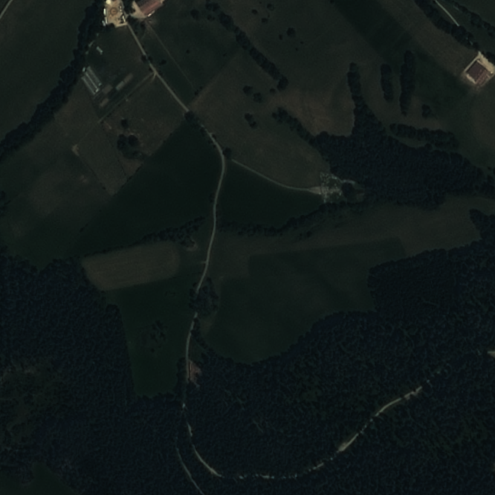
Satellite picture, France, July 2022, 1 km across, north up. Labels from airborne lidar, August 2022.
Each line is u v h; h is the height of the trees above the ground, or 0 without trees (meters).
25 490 0
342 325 31
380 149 23
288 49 0
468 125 0
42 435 27
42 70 0
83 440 33
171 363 0
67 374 27
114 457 30
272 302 0
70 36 0
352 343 35
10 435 27
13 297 33
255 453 22
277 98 0
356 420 14
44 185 0
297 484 21
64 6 0
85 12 0
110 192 0
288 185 0
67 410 9
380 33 0
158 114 0
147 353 0
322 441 24
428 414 34
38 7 0
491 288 34
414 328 20
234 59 0
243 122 0
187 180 0
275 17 0
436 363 32
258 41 0
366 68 0
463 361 34
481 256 24
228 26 21
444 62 0
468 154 0
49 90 0
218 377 22
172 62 0
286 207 0
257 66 0
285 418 25
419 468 32
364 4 0
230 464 27
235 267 0
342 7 0
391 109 0
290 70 0
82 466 20
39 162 0
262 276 0
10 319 31
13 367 30
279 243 0
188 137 0
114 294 0
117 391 24
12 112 0
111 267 0
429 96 0
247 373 26
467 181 23
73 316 33
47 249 0
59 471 30
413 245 0
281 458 25
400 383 32
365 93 0
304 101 0
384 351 38
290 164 0
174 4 0
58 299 32
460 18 0
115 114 0
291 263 0
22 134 23
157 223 0
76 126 0
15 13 0
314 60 0
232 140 0
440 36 0
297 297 0
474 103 0
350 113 0
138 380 0
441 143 23
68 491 0
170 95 0
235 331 0
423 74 0
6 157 7
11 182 0
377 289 17
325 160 7
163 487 24
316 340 22
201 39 0
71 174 0
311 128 0
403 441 36
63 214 0
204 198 0
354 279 0
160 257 0
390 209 0
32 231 0
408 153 27
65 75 19
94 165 0
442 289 17
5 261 29
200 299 23
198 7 0
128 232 0
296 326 0
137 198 0
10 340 25
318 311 0
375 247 0
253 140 0
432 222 0
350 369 34
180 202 0
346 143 25
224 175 0
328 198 0
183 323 0
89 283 29
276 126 0
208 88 0
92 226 0
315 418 17
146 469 26
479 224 16
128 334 0
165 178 0
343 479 25
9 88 0
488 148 0
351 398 20
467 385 33
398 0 0
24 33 0
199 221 8
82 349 35
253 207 0
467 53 0
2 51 0
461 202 0
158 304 0
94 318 28
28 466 21
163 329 24
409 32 0
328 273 0
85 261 0
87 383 33
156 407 35
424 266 19
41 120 23
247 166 0
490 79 0
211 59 0
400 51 0
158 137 0
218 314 0
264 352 0
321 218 10
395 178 22
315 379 7
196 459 23
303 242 0
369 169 27
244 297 0
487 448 13
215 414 19
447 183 23
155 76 0
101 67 0
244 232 16
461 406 32
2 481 0
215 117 0
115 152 0
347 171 29
